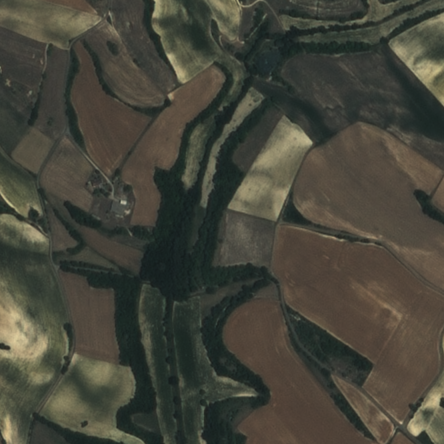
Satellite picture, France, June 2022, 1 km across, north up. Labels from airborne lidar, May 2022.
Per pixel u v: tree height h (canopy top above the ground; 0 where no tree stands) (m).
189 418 0
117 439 0
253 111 7
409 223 0
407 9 15
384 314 0
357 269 0
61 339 0
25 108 0
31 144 0
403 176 0
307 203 0
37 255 0
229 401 7
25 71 0
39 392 0
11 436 0
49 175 0
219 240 6
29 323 0
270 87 0
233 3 0
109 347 0
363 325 0
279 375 0
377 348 0
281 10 6
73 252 8
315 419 0
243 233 0
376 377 0
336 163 0
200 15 0
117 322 8
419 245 0
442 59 0
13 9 0
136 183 0
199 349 0
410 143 0
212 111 14
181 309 0
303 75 0
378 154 0
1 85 0
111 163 0
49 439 0
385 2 8
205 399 9
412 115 0
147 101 0
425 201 11
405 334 0
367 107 0
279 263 0
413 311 0
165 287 23
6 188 0
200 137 0
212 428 14
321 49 13
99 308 0
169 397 0
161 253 22
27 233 0
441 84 0
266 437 0
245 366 8
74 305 0
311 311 0
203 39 0
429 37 0
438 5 0
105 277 12
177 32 0
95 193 10
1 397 0
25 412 0
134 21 0
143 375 18
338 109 0
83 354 0
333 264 0
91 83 0
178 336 0
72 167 0
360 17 12
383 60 0
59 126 0
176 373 0
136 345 18
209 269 7
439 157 0
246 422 0
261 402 10
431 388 0
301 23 0
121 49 0
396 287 0
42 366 0
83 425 8
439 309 0
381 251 0
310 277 0
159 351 0
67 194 0
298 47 15
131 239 0
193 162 0
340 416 0
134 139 0
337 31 16
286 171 0
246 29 0
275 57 0
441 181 0
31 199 0
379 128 0
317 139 0
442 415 0
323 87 0
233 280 7
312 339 7
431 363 0
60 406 0
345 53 7
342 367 0
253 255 0
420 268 0
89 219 13
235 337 0
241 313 0
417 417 0
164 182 8
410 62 0
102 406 0
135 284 15
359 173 0
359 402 0
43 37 0
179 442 23
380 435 0
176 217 19
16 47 0
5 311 0
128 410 17
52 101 0
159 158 0
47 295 0
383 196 0
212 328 8
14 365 0
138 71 0
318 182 0
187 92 0
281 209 0
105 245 0
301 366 0
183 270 19
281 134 0
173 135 0
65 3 0
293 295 0
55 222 0
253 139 0
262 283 15
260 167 0
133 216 0
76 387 0
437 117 0
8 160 0
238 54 10
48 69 0
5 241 0
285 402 0
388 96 0
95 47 0
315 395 0
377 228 0
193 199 9
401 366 0
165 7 0
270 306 0
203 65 0
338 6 0
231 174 11
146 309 0
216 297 0
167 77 0
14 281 0
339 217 0
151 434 10
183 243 27
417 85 0
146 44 0
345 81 0
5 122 0
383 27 0
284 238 0
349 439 0
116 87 0
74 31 0
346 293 0
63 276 0
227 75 8
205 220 11
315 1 0
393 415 0
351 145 0
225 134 0
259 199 0
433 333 0
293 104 0
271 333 0
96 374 0
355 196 0
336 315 0
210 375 0
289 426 0
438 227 0
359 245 0
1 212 13
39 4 0
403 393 0
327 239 0
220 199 13
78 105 0
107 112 0
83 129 0
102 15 0
